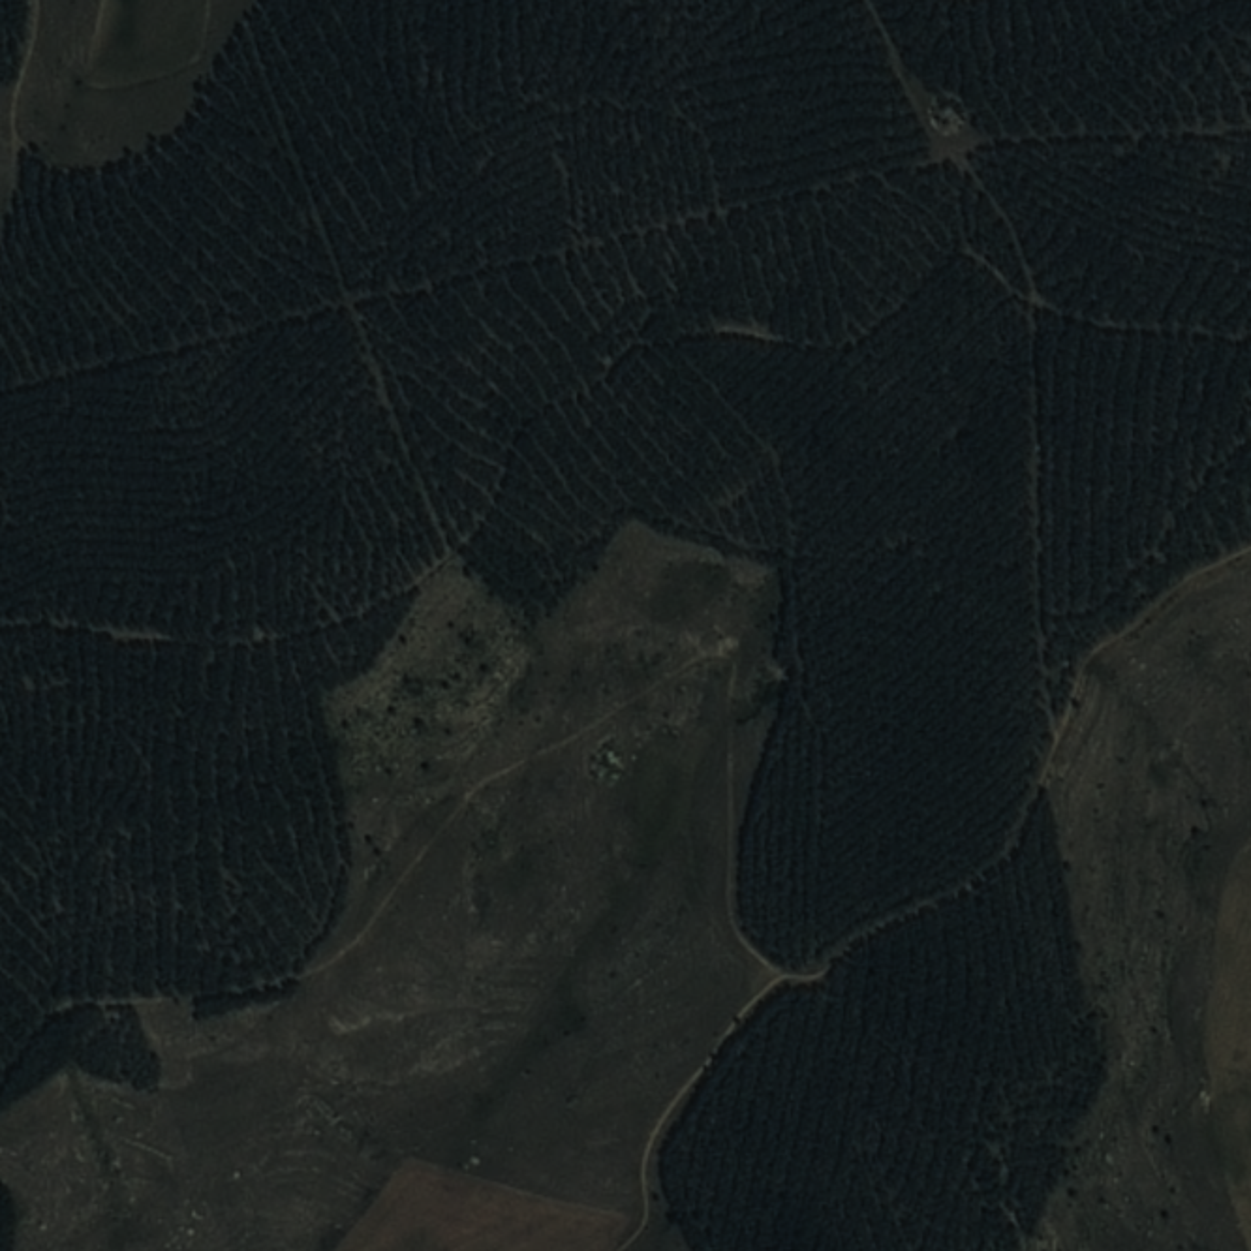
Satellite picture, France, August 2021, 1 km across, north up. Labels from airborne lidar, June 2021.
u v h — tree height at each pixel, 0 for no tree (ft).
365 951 0
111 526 37
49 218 48
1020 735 40
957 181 41
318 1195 0
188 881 41
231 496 36
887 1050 43
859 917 35
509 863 0
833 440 45
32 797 47
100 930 39
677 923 0
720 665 0
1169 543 31
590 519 37
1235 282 33
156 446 28
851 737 43
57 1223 0
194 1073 0
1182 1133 0
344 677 31
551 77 34
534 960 0
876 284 37
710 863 0
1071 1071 36
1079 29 44
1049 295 39
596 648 0
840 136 42
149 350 38
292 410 38
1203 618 0
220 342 24
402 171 34
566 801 0
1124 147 30
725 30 36
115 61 0
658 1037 0
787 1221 43
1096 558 40
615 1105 0
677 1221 37
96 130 0
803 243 36
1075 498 43
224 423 35
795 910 41
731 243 36
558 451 43
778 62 38
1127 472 34
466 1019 0
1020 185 39
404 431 30
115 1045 32
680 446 42
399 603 31
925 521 37
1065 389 40
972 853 43
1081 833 0
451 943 0
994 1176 39
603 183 33
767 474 33
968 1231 41
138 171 34
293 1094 0
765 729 0
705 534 27
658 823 0
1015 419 39
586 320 38
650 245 37
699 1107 37
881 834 38
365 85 38
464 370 39
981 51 41
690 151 38
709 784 0
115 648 33
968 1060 37
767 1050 35
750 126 37
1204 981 0
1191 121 29
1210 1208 0
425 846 0
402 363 37
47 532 39
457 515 32
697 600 0
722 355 41
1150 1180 0
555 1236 0
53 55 0
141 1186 0
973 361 43
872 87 36
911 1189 40
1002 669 41
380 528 30
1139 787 0
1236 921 0
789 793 41
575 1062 0
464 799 0
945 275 45
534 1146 0
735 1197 32
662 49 34
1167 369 41
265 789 42
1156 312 36
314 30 50
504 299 38
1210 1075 0
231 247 40
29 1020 43
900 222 32
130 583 40
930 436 38
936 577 37
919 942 43
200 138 43
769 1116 32
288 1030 0
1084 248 40
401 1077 0
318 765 37
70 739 33
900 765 45
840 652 41
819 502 42
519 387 41
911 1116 39
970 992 47
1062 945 38
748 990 0
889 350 42
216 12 0
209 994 37
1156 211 35
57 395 37
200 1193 0
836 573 39
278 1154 0
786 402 38
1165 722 0
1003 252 34
